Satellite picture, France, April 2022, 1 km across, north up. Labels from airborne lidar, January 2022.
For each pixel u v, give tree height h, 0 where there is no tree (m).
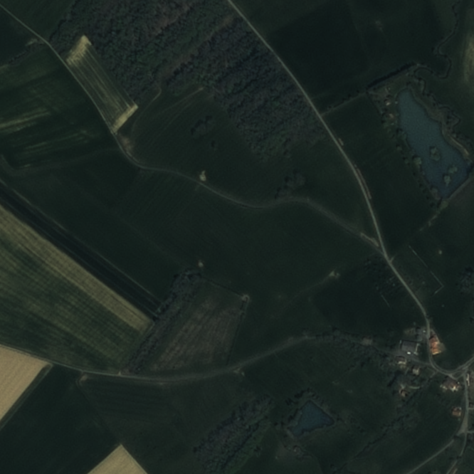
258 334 0
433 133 0
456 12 9
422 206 0
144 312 0
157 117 0
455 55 0
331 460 0
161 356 0
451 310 0
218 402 0
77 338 0
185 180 0
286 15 0
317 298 0
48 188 0
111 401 0
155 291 0
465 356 0
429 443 0
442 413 0
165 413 0
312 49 0
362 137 0
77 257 0
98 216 0
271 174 0
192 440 0
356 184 0
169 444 0
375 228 0
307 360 0
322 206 0
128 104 0
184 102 0
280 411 0
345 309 0
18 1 0
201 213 0
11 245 0
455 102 0
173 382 0
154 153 0
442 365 0
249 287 0
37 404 0
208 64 27
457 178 0
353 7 0
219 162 0
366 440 0
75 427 0
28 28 0
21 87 0
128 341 0
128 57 21
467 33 0
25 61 0
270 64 20
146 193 0
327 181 0
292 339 0
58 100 0
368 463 0
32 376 0
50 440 0
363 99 0
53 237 0
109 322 0
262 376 0
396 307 0
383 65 0
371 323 0
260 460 0
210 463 17
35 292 0
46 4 0
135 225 0
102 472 0
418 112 0
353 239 0
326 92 0
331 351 0
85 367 0
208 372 0
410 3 0
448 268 0
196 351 0
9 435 0
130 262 0
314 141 22
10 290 0
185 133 0
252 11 0
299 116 16
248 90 19
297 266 0
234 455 18
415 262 0
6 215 0
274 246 0
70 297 0
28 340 0
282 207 0
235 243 0
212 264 0
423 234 0
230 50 24
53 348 0
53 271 0
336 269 0
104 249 0
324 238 0
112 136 0
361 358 6
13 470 0
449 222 0
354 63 0
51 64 0
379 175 0
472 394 0
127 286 0
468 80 0
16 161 0
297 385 0
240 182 0
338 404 0
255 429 19
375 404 0
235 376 0
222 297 0
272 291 0
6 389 0
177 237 0
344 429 0
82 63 0
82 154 0
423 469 0
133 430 0
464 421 0
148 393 0
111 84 0
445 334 0
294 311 0
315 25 0
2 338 0
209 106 0
